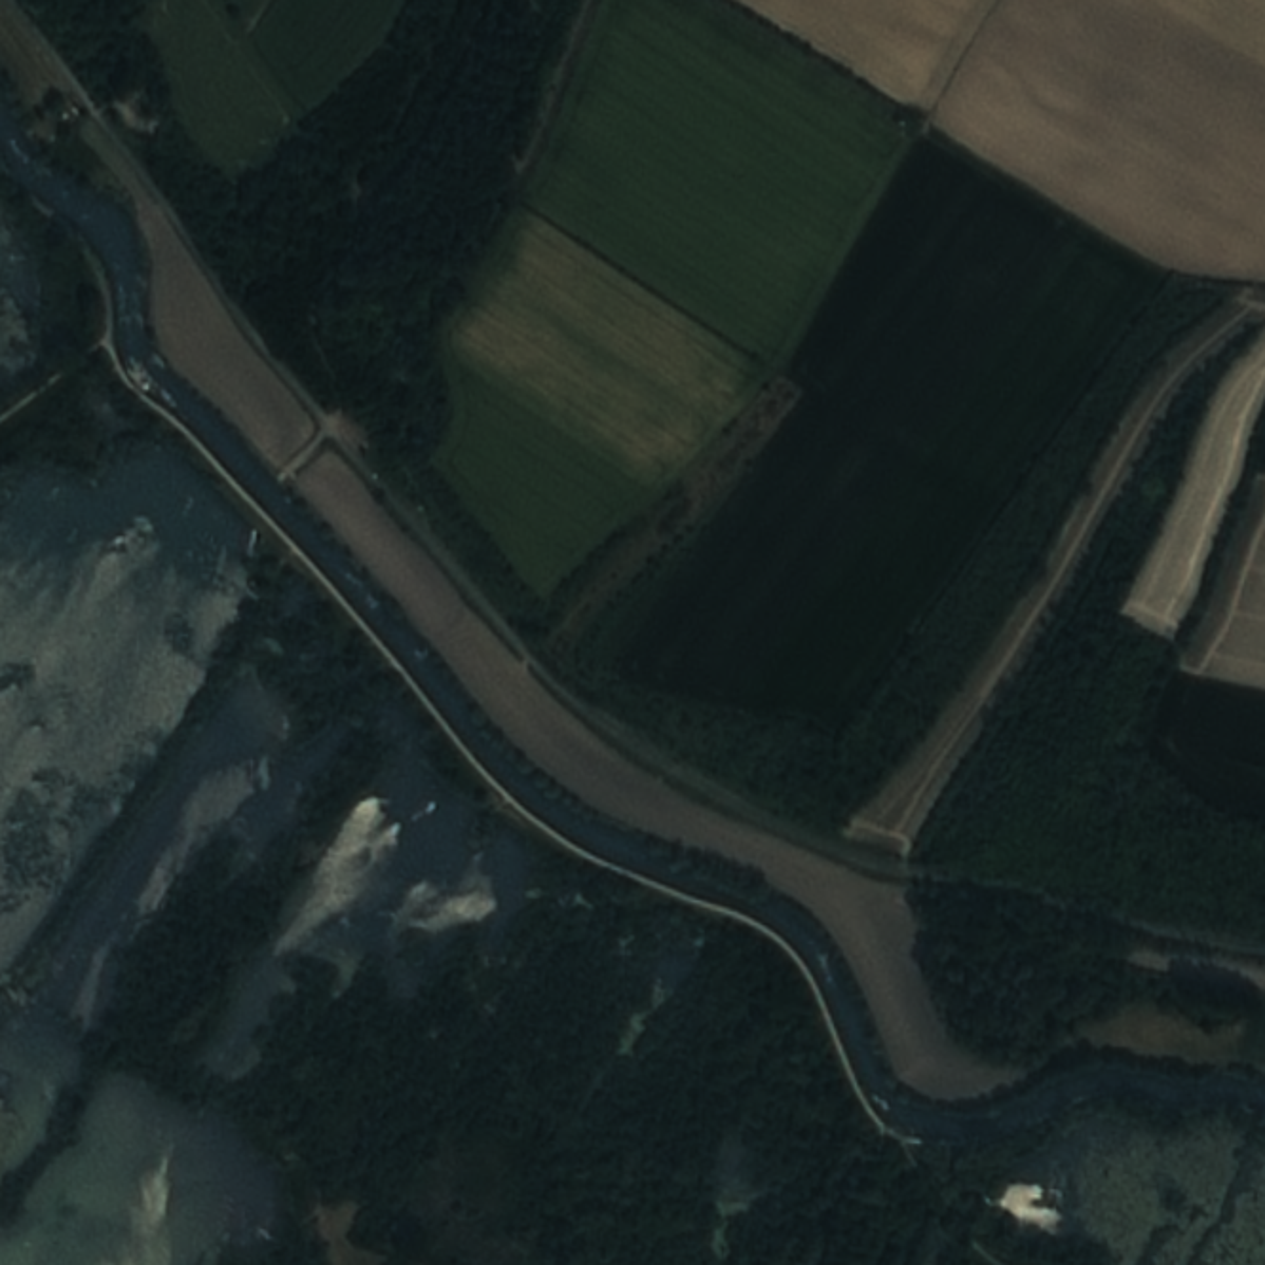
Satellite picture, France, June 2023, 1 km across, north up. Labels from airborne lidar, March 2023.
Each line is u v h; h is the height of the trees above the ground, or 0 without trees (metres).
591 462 0
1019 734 6
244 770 0
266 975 0
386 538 0
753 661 0
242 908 12
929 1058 0
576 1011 8
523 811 0
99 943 0
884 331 0
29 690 0
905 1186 18
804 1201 14
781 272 0
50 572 0
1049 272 0
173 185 8
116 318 0
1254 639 0
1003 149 0
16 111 8
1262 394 0
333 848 0
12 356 0
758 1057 5
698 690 0
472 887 0
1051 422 0
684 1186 11
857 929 0
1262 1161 0
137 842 0
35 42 0
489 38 24
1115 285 0
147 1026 10
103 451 7
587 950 11
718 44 0
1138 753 13
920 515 0
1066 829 7
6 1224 6
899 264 0
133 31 9
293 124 0
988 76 0
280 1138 16
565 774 0
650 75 0
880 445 0
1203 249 0
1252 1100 0
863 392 0
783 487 0
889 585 0
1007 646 0
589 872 10
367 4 0
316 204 9
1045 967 15
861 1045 0
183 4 0
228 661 10
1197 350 0
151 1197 0
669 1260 8
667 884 0
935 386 0
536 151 12
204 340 0
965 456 0
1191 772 0
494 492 0
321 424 0
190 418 0
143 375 0
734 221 0
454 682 8
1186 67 0
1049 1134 7
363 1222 6
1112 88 0
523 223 0
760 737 6
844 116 0
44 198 0
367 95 7
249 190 15
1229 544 9
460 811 0
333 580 0
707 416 0
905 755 13
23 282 0
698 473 0
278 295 12
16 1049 0
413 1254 25
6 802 0
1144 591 0
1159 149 0
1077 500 8
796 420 0
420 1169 6
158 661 0
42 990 0
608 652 0
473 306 0
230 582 0
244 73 0
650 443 0
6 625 0
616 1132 11
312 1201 0
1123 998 7
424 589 0
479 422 0
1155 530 13
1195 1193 0
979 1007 34
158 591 0
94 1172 0
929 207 0
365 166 7
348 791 11
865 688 0
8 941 0
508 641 0
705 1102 10
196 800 0
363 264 28
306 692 7
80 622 0
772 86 0
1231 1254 0
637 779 0
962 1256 8
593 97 0
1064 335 0
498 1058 13
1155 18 0
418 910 0
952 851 7
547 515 0
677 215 0
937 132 0
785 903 8
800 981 12
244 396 0
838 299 0
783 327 0
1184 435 7
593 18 12
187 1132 0
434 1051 11
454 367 0
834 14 0
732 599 0
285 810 0
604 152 0
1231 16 0
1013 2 0
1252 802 0
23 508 0
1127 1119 14
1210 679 0
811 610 0
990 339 0
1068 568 0
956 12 0
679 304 0
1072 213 0
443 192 18
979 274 0
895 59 0
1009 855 7
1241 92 0
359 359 7
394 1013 12
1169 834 7
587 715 0
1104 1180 0
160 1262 0
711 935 9
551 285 0
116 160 0
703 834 0
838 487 0
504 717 0
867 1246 16
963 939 31
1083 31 0
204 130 0
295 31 0
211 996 17
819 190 0
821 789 7
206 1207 0
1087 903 11
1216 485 0
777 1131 8
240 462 0
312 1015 10
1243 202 0
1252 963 7
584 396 0
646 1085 10
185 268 0
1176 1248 0
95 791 0
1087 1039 0
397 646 0
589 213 0
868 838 0
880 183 0
